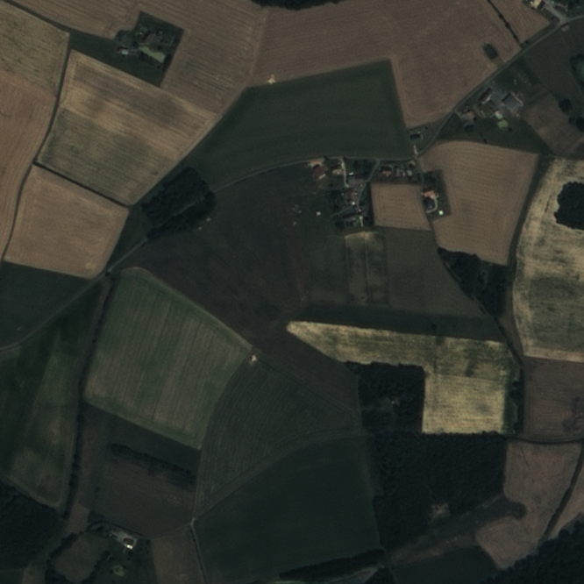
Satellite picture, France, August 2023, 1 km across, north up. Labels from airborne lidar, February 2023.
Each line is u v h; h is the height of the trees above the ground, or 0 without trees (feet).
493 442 61
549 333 0
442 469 53
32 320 0
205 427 0
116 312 0
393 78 0
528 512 0
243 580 0
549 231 0
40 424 0
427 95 0
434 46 0
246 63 0
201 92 0
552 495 0
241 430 0
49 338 0
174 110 0
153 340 0
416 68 0
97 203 0
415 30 0
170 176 0
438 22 0
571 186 35
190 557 0
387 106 0
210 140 0
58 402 0
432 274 0
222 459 0
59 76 0
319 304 0
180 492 0
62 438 0
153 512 0
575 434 0
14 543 84
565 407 0
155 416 0
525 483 0
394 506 60
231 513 0
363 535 0
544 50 0
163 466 28
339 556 0
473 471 59
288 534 0
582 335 0
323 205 0
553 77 0
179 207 43
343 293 0
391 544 57
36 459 0
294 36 0
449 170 0
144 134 0
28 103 0
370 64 0
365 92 0
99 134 0
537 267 0
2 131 0
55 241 0
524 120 0
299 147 0
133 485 0
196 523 0
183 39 0
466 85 0
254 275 0
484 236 0
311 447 0
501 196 0
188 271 0
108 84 0
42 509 42
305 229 0
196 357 0
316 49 0
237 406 0
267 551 0
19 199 0
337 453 0
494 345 0
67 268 0
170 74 0
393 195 0
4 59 0
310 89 0
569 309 0
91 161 0
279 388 0
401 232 0
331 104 0
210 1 0
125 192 0
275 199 0
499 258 0
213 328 0
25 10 0
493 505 0
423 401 37
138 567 0
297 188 0
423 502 67
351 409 0
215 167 0
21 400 0
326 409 0
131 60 0
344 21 0
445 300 0
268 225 0
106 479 0
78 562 0
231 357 0
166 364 0
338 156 0
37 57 0
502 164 0
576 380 0
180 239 0
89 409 0
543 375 0
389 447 75
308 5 51
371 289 0
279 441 0
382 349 0
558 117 0
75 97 0
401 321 0
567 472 0
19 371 0
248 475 0
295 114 0
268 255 0
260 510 0
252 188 0
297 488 0
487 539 0
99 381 0
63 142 0
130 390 0
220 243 0
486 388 0
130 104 0
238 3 0
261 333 0
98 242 0
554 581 62
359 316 0
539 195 0
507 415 0
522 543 0
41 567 0
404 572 0
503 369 0
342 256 0
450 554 0
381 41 0
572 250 0
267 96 0
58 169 0
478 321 0
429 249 0
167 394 0
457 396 0
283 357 0
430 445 56
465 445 49
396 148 0
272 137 0
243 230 0
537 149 0
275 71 0
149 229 0
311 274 0
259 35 0
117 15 0
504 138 0
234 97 0
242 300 0
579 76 0
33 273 0
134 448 0
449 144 0
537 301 0
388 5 0
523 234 0
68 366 0
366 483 0
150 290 0
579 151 0
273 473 0
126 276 0
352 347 0
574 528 0
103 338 0
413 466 65
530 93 0
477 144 0
